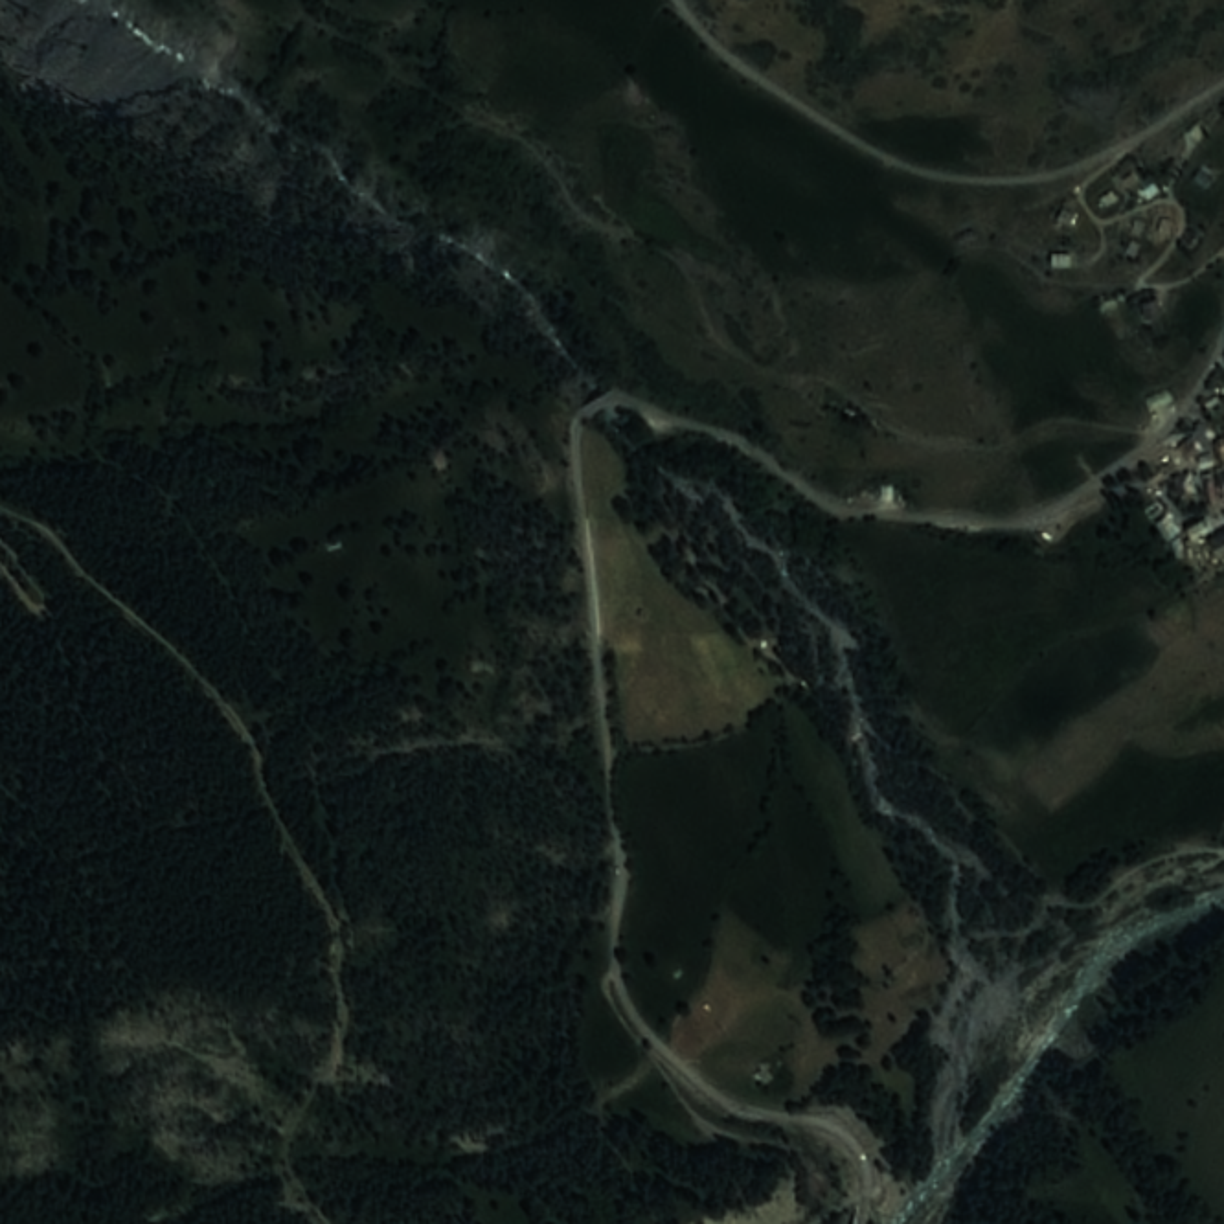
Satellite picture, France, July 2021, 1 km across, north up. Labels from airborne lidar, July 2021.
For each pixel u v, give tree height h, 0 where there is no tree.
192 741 19
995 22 0
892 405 0
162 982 17
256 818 21
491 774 10
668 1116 0
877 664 12
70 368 0
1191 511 8
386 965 13
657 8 0
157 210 21
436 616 0
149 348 0
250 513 22
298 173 9
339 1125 16
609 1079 0
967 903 11
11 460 8
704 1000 0
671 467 16
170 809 16
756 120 0
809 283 0
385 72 9
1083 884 11
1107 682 0
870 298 0
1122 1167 7
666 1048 0
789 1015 0
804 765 0
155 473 22
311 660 22
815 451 0
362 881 20
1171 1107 0
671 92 0
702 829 0
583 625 0
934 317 0
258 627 25
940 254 0
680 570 6
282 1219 14
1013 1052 0
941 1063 6
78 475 20
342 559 0
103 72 0
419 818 20
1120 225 0
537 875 17
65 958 16
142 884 18
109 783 22
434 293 16
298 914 20
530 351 11
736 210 0
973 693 0
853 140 0
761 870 0
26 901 15
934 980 0
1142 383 0
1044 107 0
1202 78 0
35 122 18
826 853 0
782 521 14
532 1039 13
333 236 13
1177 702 0
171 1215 7
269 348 17
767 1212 0
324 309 11
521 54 0
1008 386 0
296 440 9
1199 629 0
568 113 0
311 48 0
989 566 0
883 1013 0
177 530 15
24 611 11
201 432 12
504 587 13
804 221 0
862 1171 0
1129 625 0
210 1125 11
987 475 0
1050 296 0
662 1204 22
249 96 15
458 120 10
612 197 0
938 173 0
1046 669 0
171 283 0
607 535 0
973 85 0
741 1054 0
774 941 0
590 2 0
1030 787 0
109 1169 20
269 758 20
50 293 18
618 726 8
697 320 0
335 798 18
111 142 9
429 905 15
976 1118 8
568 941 12
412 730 9
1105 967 0
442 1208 24
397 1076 15
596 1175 11
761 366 0
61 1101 13
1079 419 0
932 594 0
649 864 0
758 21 0
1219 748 0
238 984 13
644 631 0
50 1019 17
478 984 10
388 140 0
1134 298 6
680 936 0
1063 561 7
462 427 12
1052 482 0
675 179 0
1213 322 0
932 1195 0
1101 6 0
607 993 0
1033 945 10
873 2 0
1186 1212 15
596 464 0
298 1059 11
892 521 0
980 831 14
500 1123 16
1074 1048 0
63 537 5
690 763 0
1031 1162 12
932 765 8
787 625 10
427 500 0
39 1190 20
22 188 15
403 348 20
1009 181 0
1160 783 0
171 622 17
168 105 6
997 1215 26
